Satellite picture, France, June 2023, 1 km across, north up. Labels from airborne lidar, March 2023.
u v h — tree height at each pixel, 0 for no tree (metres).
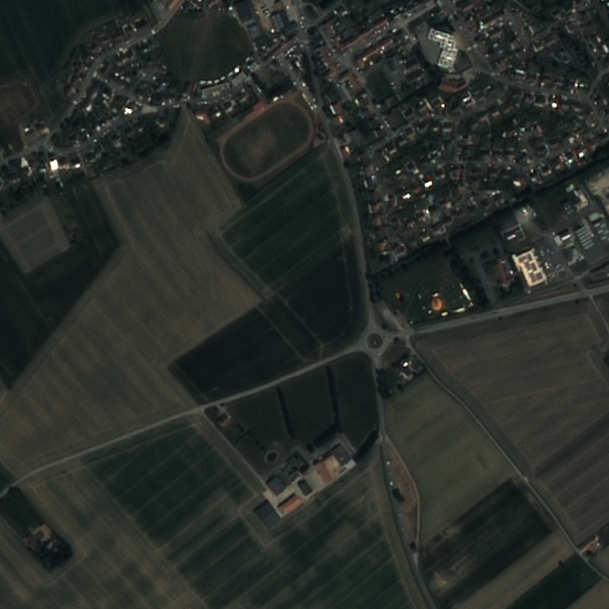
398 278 0
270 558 0
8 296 0
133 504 0
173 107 0
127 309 0
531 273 0
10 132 0
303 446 0
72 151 0
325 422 0
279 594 0
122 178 0
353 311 0
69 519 0
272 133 0
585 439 0
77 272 0
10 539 0
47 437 0
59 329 0
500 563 0
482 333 0
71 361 0
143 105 0
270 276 0
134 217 0
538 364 0
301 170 0
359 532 0
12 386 0
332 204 0
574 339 0
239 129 0
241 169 0
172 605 0
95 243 0
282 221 0
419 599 0
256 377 0
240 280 0
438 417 0
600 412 0
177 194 0
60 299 0
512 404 0
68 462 0
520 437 0
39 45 0
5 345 0
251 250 0
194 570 0
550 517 0
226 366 0
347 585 0
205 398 0
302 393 0
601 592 0
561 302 0
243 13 0
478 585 0
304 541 0
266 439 0
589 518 0
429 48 0
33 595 0
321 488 0
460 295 0
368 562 0
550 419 0
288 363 0
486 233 0
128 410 0
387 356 0
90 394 0
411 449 0
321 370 0
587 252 0
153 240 0
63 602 0
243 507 0
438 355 0
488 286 0
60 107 0
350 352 0
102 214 0
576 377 0
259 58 0
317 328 0
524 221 0
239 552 0
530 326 0
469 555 0
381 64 0
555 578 0
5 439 0
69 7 0
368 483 0
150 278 0
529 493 0
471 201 0
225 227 0
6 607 0
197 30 0
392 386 0
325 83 6
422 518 0
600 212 0
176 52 0
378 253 0
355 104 0
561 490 0
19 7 0
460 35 0
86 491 0
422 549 0
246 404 0
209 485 0
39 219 0
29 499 0
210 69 0
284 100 0
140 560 0
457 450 0
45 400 0
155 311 0
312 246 0
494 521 0
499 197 0
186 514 0
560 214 0
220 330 0
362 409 0
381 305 0
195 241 0
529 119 0
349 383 0
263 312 0
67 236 0
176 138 0
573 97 0
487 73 0
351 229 0
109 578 0
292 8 0
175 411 0
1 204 9
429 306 0
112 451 0
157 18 0
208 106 0
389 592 0
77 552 0
